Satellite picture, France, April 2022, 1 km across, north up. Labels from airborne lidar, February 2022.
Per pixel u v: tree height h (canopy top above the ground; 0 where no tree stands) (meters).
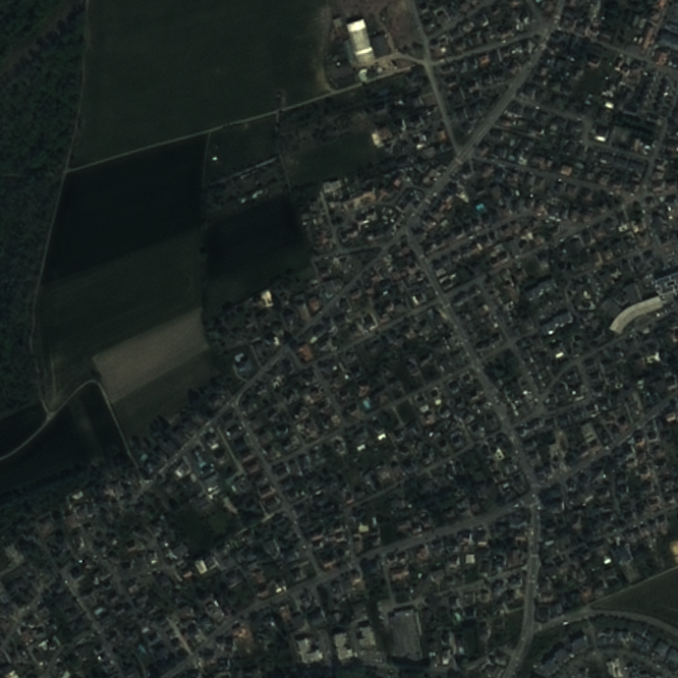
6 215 23
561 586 12
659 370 14
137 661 8
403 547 0
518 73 0
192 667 0
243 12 0
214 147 0
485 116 0
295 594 0
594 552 7
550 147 0
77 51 22
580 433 5
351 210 0
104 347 0
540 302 0
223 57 0
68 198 0
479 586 0
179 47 0
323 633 0
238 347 0
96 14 0
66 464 0
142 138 0
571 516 14
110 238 0
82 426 0
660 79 0
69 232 0
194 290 0
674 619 0
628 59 0
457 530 0
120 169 0
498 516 0
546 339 8
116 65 0
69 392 0
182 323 0
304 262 0
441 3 8
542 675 0
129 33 0
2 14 10
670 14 0
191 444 0
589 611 0
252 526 12
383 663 0
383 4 0
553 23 0
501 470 0
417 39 0
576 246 0
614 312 0
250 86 0
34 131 17
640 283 0
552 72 0
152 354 0
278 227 0
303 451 0
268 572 0
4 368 28
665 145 6
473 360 0
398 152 7
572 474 0
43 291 0
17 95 20
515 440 0
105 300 0
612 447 0
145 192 0
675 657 0
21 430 0
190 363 0
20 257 25
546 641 0
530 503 0
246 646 0
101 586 7
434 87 0
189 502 11
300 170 0
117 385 0
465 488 6
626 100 12
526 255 0
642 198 0
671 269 0
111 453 0
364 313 0
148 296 0
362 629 0
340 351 0
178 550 0
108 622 0
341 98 0
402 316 0
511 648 0
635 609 0
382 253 0
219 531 0
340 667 21
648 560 15
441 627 6
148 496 10
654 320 0
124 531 8
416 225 0
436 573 0
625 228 0
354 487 0
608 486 10
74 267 0
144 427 0
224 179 8
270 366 0
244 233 0
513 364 16
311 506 0
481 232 0
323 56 0
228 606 9
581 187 0
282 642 18
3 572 0
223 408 0
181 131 0
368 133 0
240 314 10
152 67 0
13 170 14
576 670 0
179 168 0
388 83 0
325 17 0
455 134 0
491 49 0
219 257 0
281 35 0
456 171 0
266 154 0
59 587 0
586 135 0
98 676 16
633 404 0
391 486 0
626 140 0
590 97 0
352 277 0
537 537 0
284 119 8
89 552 0
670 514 0
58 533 6
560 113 0
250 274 0
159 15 0
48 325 0
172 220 0
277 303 12
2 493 0
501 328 0
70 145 23
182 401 0
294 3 0
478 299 6
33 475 0
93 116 0
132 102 0
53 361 0
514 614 0
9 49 15
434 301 0
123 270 0
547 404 5
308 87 0
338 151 0
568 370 0
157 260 0
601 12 0
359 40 0
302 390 7
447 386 0
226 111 0
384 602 0
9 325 25
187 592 0
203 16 0
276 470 7
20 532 7
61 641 0
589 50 6
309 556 0
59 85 20
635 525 0
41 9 24
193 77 0
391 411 0
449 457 0
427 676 7
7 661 0
